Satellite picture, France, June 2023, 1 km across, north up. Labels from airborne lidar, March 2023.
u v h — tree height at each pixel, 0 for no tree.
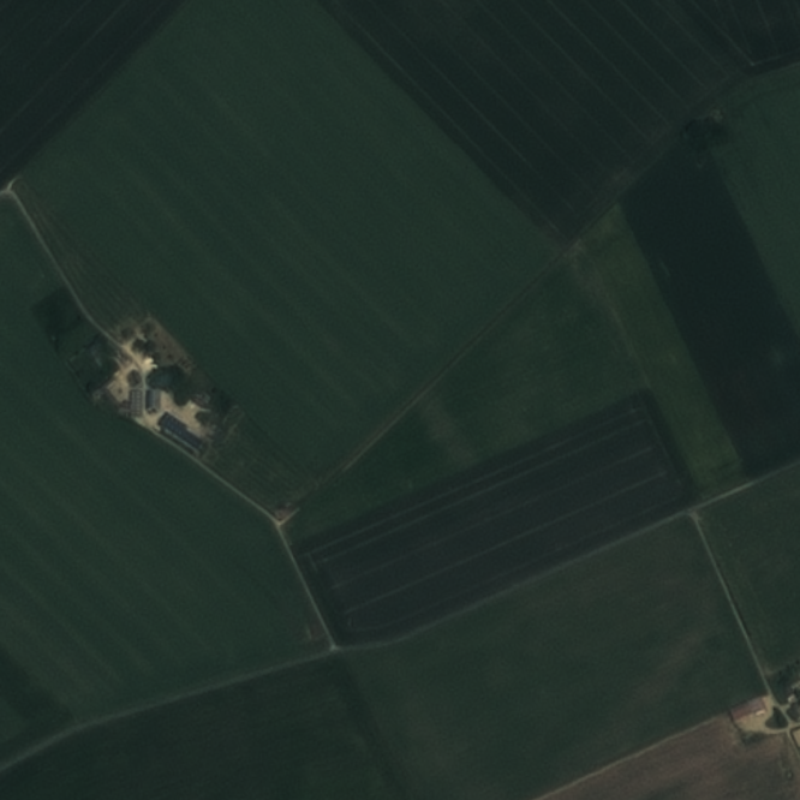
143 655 0
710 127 8
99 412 0
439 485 0
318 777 0
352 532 0
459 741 0
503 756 0
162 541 0
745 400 0
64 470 0
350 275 0
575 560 0
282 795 0
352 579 0
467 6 0
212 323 0
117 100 0
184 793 0
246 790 0
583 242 0
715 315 0
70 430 0
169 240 0
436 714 0
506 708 0
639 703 0
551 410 0
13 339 0
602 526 0
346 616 0
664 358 0
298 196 0
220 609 0
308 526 0
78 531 0
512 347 0
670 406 0
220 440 0
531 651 0
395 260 0
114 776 0
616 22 0
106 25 0
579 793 0
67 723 0
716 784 0
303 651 0
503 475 0
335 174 0
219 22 0
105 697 0
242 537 0
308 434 0
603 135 0
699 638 0
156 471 0
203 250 0
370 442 0
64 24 0
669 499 0
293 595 0
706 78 0
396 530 0
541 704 0
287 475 0
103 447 0
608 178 0
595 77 0
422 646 0
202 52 0
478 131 0
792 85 0
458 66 0
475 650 0
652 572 0
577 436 0
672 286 0
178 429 0
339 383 0
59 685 0
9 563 0
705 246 0
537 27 0
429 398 0
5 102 0
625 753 0
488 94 0
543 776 0
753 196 0
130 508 0
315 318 0
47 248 0
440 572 0
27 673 0
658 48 0
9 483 0
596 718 0
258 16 0
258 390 0
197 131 0
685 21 0
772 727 0
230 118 0
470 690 0
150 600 0
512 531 0
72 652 0
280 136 0
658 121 0
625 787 0
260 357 0
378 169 0
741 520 0
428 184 0
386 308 0
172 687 0
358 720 0
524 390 0
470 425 0
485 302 0
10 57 0
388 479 0
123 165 0
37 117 0
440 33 0
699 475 0
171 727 0
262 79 0
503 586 0
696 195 0
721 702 0
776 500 0
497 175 0
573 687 0
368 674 0
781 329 0
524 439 0
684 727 0
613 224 0
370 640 0
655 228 0
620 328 0
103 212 0
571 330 0
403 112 0
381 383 0
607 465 0
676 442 0
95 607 0
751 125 0
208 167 0
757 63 0
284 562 0
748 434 0
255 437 0
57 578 0
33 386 0
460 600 0
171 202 0
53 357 0
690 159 0
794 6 0
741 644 0
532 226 0
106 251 0
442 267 0
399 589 0
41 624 0
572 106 0
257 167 0
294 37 0
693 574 0
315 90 0
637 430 0
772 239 0
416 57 0
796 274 0
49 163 0
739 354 0
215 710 0
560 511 0
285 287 0
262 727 0
